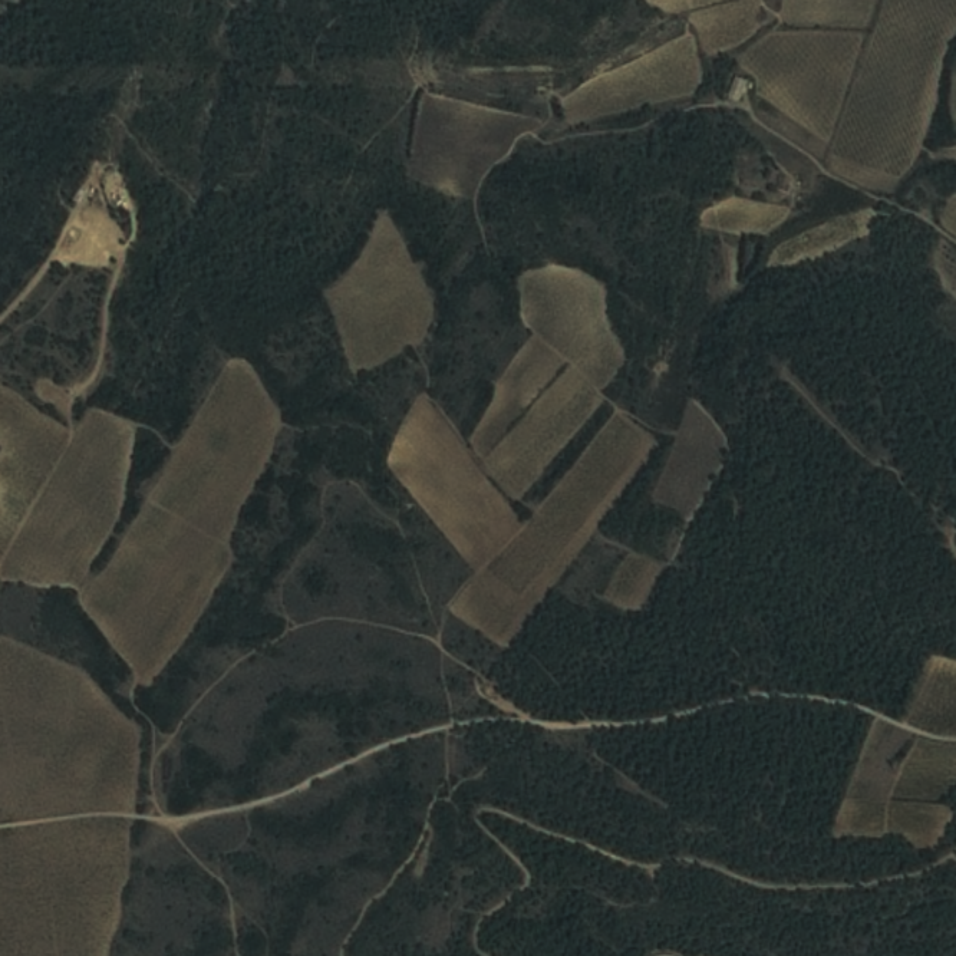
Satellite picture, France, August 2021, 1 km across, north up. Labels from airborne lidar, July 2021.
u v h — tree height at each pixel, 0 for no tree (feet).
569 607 45
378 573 0
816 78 0
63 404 0
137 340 29
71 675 0
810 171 0
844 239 0
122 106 0
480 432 0
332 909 0
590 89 0
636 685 28
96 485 0
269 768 0
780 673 40
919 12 0
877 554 42
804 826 40
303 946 0
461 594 0
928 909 44
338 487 0
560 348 0
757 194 34
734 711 42
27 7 30
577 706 38
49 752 0
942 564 36
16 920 0
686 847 37
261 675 0
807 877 33
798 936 35
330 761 0
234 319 23
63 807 0
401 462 0
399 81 0
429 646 0
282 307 22
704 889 33
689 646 37
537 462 0
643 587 0
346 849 0
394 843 22
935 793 0
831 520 29
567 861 52
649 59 0
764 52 0
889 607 49
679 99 0
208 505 0
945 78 20
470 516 0
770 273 33
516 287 30
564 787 30
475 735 29
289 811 0
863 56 0
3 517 0
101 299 22
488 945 38
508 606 0
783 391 45
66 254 0
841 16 0
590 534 0
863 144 0
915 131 0
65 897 0
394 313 0
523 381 0
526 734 21
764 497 25
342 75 0
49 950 0
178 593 0
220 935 20
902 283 19
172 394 28
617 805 41
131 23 26
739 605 41
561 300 0
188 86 33
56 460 0
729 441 18
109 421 0
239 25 38
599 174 21
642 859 37
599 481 0
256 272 30
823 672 40
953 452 42
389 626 0
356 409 21
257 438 0
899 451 43
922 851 24
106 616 0
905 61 0
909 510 37
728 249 0
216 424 0
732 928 24
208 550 0
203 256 20
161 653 0
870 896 48
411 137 24
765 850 25
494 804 24
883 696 55
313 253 34
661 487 0
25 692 0
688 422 0
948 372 41
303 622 0
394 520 0
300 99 27
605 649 34
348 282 0
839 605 39
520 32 0
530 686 35
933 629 28
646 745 49
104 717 0
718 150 39
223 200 20
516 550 0
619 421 0
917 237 24
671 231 37
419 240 24
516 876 29
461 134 0
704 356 54
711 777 43
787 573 47
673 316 27
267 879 22
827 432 30
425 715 20
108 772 0
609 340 0
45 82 0
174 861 0
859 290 38
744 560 21
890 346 38
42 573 0
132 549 0
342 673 0
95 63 23
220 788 0
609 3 19
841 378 47
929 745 0
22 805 0
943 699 0
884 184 0
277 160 39
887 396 44
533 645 43
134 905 0
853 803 0
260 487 21
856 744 37
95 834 0
